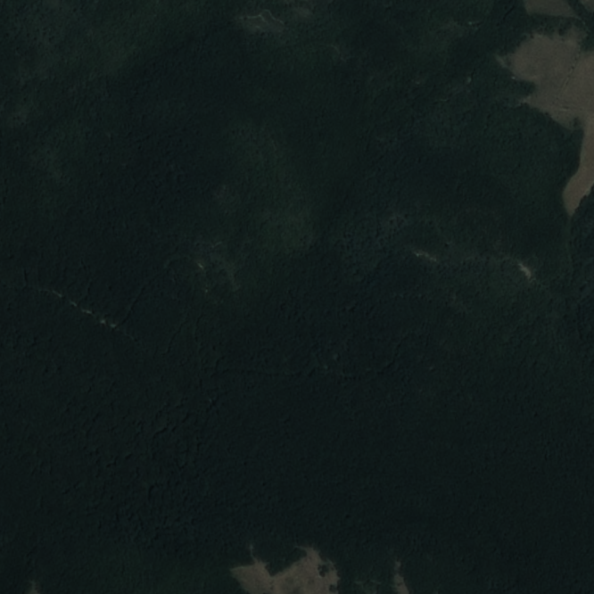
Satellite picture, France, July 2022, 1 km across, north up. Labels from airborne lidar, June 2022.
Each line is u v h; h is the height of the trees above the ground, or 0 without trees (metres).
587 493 19
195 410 17
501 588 12
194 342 17
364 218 7
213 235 8
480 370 20
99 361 19
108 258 21
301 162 13
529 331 14
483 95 8
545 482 19
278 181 11
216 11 12
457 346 7
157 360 15
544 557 16
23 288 18
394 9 14
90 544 10
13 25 8
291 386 22
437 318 11
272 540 6
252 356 13
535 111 6
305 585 0
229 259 6
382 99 10
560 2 0
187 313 15
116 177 26
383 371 15
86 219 12
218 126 14
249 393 22
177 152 16
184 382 23
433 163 14
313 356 12
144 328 13
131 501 24
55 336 21
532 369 10
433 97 10
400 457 16
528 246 14
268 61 7
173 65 16
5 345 21
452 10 8
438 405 15
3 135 13
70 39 7
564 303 6
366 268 11
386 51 9
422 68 8
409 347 12
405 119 9
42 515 13
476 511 16
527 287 7
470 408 14
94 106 11
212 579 12
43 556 13
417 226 8
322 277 19
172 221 11
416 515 16
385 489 15
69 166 15
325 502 16
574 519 20
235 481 17
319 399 20
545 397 15
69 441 16
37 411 25
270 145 7
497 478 23
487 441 20
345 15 13
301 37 7
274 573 7
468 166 10
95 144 14
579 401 18
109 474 22
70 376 22
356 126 14
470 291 8
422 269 9
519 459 20
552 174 10
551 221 13
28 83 9
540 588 20
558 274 6
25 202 14
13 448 7
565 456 18
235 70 12
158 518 13
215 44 13
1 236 22
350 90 13
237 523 13
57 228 24
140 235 11
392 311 9
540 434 17
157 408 21
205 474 21
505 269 8
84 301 15
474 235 6
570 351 13
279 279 16
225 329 21
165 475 18
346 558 6
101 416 20
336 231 9
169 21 12
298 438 16
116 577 9
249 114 15
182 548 19
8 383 21
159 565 11
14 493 8
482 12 7
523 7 10
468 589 9
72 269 16
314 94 8
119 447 22
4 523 16
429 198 6
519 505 20
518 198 10
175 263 14
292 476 15
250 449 18
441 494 19
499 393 19
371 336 17
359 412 18
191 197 15
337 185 15
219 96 14
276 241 7
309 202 7
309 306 16
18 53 6
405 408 11
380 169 7
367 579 8
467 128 8
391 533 14
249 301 12
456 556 16
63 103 13
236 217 10
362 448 19
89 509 17
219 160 11
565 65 0
